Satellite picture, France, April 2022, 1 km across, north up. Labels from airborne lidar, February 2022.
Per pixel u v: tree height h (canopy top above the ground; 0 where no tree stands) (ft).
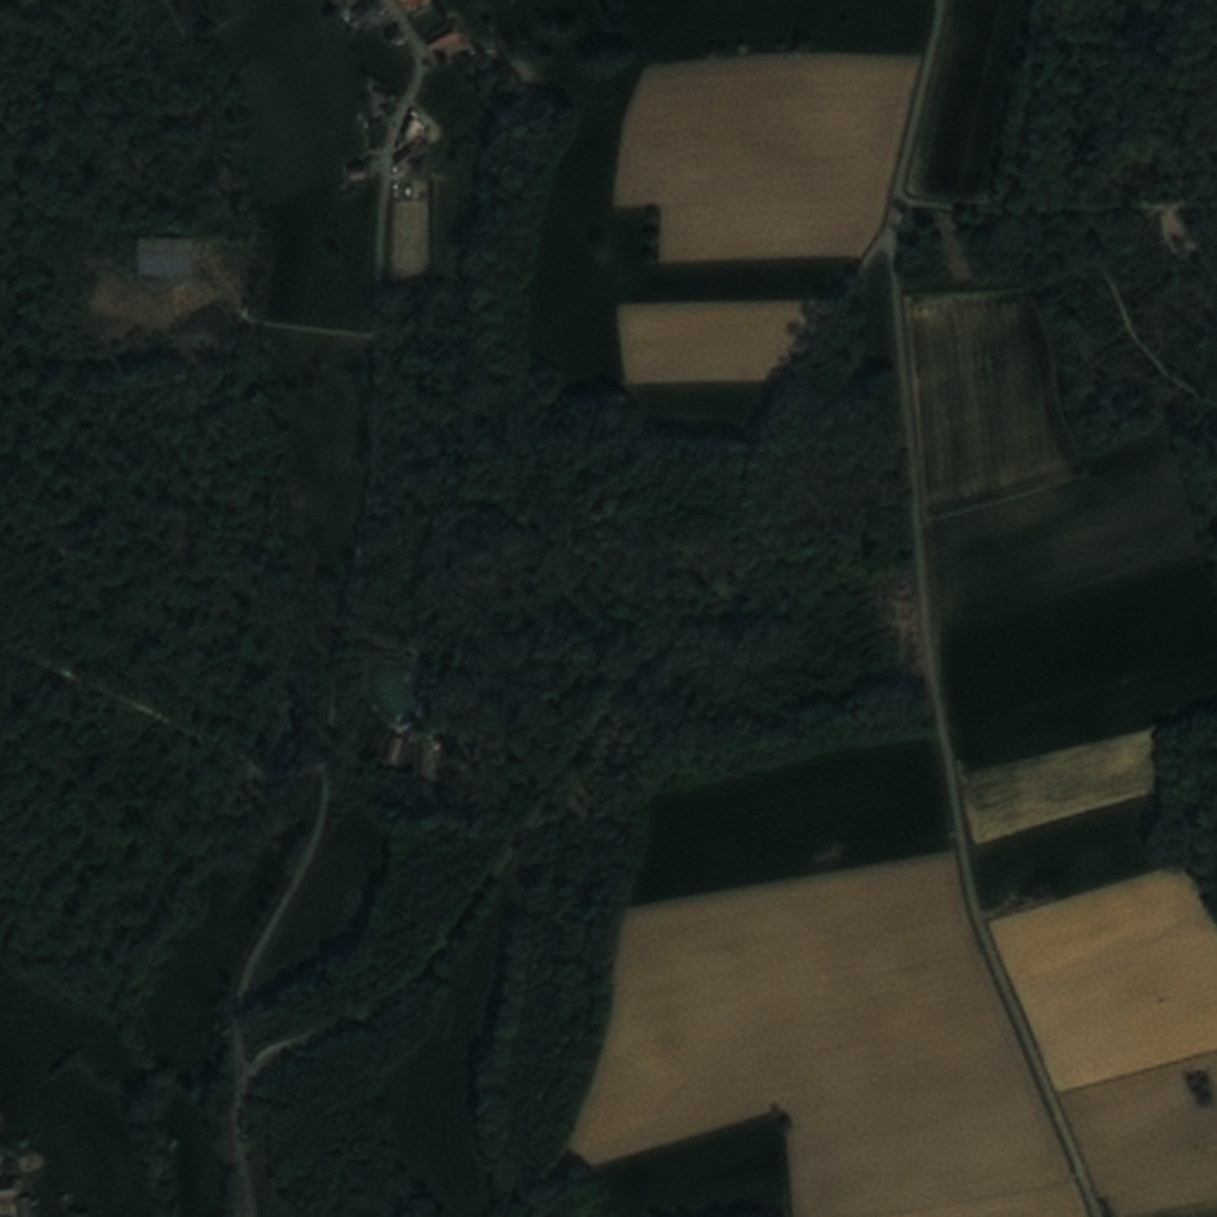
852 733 75
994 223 45
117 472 90
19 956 78
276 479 39
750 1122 0
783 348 0
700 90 0
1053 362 0
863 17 0
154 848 82
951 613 0
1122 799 0
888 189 0
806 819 0
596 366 0
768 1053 0
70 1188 0
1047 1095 0
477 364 97
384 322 90
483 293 95
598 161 0
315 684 72
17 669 70
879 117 0
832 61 0
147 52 48
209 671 82
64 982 91
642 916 0
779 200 0
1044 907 0
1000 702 0
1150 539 0
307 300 0
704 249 0
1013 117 49
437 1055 0
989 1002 0
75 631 85
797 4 0
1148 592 0
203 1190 0
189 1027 0
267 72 0
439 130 0
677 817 0
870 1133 0
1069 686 0
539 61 88
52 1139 0
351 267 0
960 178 0
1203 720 59
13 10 89
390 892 50
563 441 90
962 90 0
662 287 0
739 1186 0
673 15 0
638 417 72
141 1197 0
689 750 106
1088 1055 0
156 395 80
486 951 0
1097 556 0
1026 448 0
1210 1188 0
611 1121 0
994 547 0
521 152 88
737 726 97
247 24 0
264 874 0
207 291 0
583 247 0
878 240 0
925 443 0
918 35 0
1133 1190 0
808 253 0
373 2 0
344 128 0
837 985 0
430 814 99
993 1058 0
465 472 111
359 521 0
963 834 0
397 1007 57
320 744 48
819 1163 0
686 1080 0
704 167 0
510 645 101
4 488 96
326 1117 52
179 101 97
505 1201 82
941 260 73
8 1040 0
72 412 93
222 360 64
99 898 80
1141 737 0
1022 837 0
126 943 81
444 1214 51
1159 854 76
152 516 77
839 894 0
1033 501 0
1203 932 0
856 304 66
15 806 97
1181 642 0
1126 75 94
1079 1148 0
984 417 0
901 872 0
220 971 0
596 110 0
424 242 0
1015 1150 0
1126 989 0
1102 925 0
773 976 0
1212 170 71
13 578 62
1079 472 0
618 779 101
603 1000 70
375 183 0
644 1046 0
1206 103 90
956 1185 0
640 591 107
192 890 68
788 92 0
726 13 0
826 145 0
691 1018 0
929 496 0
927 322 0
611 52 72
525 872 0
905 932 0
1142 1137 0
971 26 0
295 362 0
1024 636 0
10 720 86
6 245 25
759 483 94
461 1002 0
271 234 71
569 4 0
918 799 0
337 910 0
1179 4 94
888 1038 0
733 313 0
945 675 0
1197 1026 0
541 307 0
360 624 61
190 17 91
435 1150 0
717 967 0
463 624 91
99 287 0
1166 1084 0
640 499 96
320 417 0
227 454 82
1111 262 91
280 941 0
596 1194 69
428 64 23
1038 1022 0
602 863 56
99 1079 23
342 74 0
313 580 62
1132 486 0
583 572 86
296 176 0
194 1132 0
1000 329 0
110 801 97
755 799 0
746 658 95
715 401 0
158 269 0
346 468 0
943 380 0
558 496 85
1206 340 115
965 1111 0
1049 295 74
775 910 0
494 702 115
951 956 0
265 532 30
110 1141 0
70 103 93
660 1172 0
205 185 95
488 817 89
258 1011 71
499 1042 75
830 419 112
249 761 75
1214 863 88
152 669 77
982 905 0
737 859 0
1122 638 0
